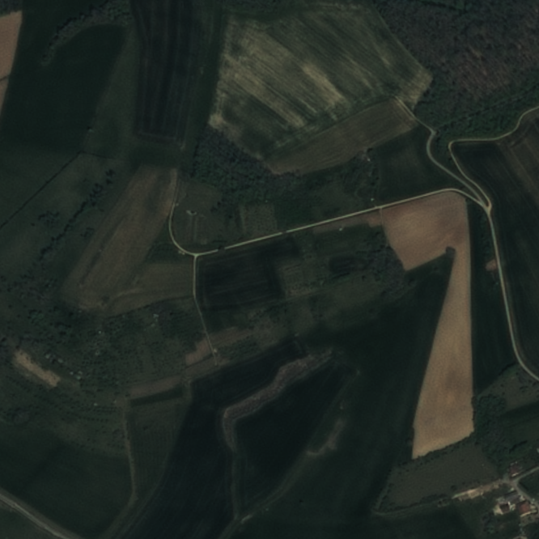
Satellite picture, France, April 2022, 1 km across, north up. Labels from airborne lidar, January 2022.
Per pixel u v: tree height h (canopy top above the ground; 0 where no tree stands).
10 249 0
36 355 0
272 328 0
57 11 0
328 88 0
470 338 0
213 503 0
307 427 0
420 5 21
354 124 0
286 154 0
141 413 0
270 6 24
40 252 0
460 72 29
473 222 0
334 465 0
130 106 0
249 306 0
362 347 0
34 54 0
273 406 0
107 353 6
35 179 0
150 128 0
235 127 0
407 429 0
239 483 0
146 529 0
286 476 0
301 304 0
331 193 0
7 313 0
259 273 0
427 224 0
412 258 0
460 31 17
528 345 0
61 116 0
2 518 0
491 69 29
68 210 0
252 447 0
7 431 0
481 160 0
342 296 0
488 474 0
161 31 0
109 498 0
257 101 0
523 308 0
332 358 0
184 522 0
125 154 0
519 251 0
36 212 0
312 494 0
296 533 0
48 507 0
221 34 0
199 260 0
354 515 0
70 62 0
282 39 0
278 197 14
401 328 0
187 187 0
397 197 0
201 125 0
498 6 25
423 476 0
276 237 0
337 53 0
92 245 0
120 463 0
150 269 0
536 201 0
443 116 22
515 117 18
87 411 6
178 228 0
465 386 0
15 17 0
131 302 0
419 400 0
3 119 0
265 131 0
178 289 0
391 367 0
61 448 0
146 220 0
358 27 0
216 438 0
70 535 0
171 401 0
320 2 0
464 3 21
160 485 0
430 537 0
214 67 0
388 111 0
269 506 0
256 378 0
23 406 0
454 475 0
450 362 0
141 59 0
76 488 0
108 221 0
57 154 0
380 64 0
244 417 0
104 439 0
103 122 0
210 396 0
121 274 0
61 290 0
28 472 0
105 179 0
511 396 0
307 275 0
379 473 0
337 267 0
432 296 0
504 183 0
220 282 0
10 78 0
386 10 13
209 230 0
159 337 0
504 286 0
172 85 0
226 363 0
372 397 0
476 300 0
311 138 0
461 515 0
